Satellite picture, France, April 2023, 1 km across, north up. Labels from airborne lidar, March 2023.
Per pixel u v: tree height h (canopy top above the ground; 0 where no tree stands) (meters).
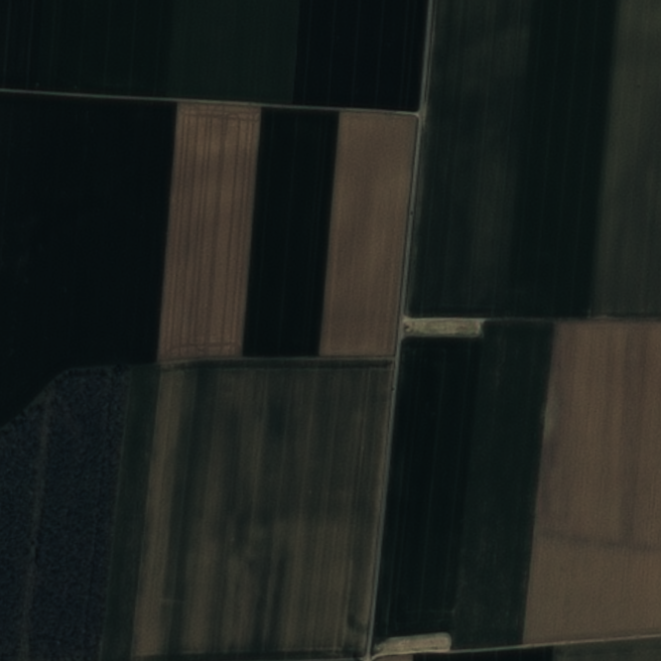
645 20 0
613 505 0
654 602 0
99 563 15
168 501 0
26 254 0
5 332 0
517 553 0
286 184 0
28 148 0
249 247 0
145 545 0
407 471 0
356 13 0
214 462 0
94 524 12
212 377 0
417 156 0
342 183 0
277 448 0
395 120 0
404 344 0
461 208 0
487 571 0
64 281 0
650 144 0
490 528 0
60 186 0
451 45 0
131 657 0
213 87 0
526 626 0
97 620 17
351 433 0
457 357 0
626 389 0
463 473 0
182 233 0
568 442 0
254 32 0
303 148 0
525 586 0
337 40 0
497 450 0
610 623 0
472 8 0
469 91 0
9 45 0
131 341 0
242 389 0
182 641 0
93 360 0
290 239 0
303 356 0
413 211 0
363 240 0
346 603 0
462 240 0
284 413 0
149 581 0
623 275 0
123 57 0
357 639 0
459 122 0
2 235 0
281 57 0
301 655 0
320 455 0
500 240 0
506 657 0
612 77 0
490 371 0
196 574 0
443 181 0
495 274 0
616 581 0
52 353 0
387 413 0
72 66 0
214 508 0
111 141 0
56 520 14
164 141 0
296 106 0
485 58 0
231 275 0
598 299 0
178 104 0
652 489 0
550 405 0
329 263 0
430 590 0
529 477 0
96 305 0
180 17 0
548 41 0
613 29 0
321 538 0
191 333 0
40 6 0
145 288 0
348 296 0
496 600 0
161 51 0
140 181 0
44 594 16
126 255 0
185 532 0
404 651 0
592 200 0
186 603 0
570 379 0
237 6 0
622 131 0
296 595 0
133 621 0
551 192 0
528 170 0
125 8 0
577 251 0
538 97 0
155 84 0
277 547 0
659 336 0
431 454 0
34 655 11
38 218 0
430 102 0
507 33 0
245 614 0
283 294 0
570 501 0
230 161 0
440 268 0
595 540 0
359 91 0
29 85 0
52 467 15
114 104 0
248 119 0
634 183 0
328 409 0
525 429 0
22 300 0
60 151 0
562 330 0
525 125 0
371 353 0
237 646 0
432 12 0
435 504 0
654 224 0
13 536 16
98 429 14
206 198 0
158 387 0
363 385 0
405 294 0
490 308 0
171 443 0
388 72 0
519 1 0
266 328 0
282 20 0
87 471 13
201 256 0
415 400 0
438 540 0
